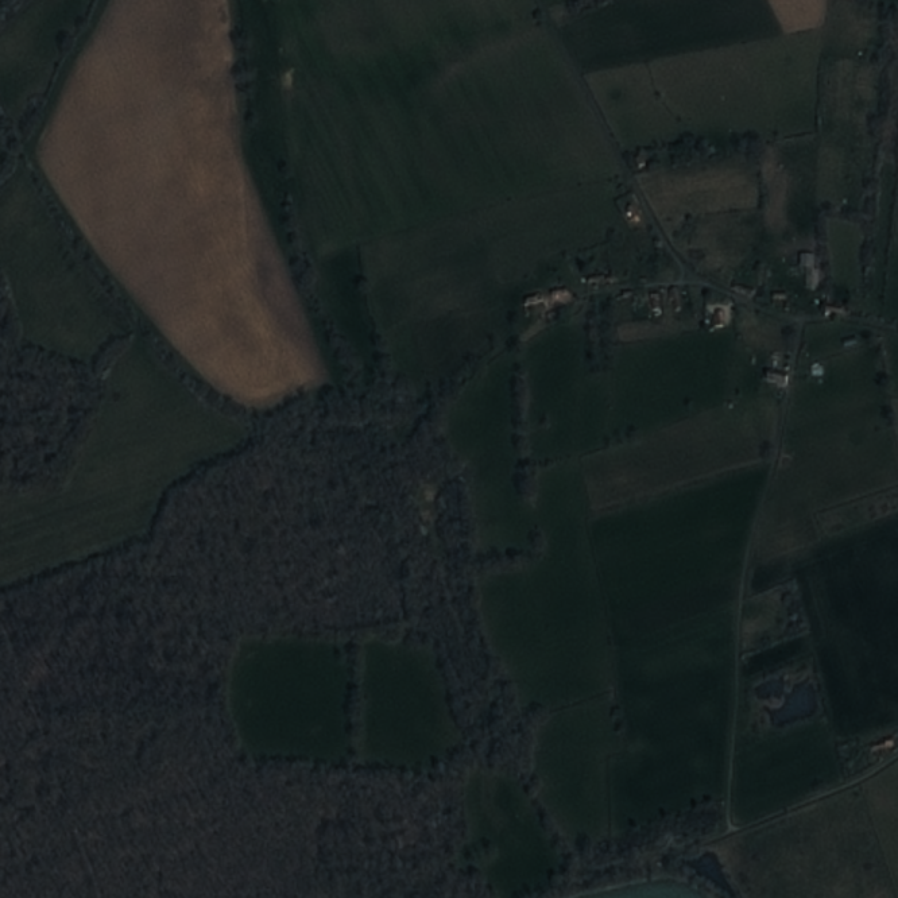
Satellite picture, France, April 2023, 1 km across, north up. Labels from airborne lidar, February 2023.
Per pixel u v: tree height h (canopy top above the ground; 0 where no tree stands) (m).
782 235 0
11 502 0
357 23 0
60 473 17
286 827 17
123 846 17
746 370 0
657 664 0
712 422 0
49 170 0
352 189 0
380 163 0
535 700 0
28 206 0
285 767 16
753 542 0
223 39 0
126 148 0
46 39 0
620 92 0
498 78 0
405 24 0
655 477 0
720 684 0
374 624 11
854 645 0
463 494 13
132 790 19
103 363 12
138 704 17
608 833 0
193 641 22
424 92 0
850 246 0
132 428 0
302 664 0
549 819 18
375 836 19
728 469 0
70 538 0
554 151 0
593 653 0
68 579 15
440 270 0
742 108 0
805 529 0
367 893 21
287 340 0
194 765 25
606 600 0
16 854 17
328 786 23
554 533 0
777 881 0
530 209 0
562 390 0
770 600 0
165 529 15
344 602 11
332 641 10
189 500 18
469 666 17
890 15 18
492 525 0
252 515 10
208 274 0
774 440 0
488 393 0
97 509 0
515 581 0
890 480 0
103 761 21
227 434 0
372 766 0
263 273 0
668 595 0
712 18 0
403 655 0
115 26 0
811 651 0
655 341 0
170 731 21
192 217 0
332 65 0
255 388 0
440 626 16
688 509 0
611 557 0
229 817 22
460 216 0
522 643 0
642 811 0
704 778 0
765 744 0
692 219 8
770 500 0
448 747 0
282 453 20
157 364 0
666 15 0
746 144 19
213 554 19
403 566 12
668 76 0
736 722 0
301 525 12
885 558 0
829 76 0
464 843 22
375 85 0
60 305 0
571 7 11
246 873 20
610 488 0
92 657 23
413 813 23
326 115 0
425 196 0
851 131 0
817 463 0
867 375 0
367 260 0
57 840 13
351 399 20
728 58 0
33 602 20
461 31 0
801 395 0
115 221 0
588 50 0
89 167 0
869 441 0
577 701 0
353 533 14
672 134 0
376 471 16
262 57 0
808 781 0
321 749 0
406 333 0
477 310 0
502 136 0
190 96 0
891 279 0
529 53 0
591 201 0
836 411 0
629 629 0
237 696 0
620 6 0
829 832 0
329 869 23
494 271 0
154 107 0
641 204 0
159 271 0
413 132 0
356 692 16
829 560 0
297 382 0
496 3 0
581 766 0
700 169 0
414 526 6
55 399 25
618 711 7
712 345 0
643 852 14
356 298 0
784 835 0
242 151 0
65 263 0
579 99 0
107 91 0
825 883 0
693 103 0
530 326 0
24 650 23
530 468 13
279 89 0
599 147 0
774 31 0
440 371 0
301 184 0
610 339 16
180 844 18
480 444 0
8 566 0
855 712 0
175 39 0
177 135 0
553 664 0
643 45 0
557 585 0
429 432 18
